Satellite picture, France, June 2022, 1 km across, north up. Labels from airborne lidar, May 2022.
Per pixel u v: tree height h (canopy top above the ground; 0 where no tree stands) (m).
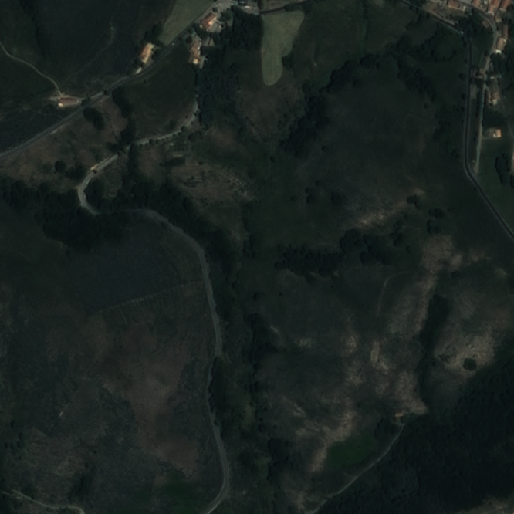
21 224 0
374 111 0
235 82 13
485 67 0
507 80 0
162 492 0
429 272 0
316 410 0
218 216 0
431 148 0
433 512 18
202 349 0
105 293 0
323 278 7
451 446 12
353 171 0
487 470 22
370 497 23
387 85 0
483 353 0
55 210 23
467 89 0
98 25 0
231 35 10
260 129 0
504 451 7
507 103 0
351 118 0
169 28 0
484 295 0
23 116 0
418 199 13
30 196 16
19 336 0
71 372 0
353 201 0
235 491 0
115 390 0
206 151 0
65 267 0
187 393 0
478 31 19
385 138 0
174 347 0
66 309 0
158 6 0
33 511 0
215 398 19
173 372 0
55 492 0
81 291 0
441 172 0
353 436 0
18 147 0
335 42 0
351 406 0
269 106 0
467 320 0
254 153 0
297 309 0
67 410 0
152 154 0
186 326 0
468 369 10
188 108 0
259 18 13
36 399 0
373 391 0
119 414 0
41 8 0
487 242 0
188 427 0
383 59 0
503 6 0
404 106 0
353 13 0
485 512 0
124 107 17
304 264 11
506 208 0
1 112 0
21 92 0
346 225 0
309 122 9
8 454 0
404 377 0
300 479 0
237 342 0
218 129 0
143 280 0
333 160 0
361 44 0
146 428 0
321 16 0
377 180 0
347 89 0
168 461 0
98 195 21
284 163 0
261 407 8
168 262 0
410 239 0
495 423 20
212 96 23
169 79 0
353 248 10
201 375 0
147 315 0
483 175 0
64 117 0
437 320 19
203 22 0
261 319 13
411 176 0
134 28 0
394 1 11
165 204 21
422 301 0
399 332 0
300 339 0
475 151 0
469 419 23
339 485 0
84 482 14
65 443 0
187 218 23
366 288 0
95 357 0
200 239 6
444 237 0
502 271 0
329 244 0
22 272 0
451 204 0
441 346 0
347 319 0
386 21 0
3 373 0
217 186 0
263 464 0
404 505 20
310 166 0
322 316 0
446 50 0
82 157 0
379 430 13
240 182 0
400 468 7
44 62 0
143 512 0
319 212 0
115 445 0
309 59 0
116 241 8
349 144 0
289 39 0
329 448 0
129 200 16
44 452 0
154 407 0
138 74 0
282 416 0
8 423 0
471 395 14
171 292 0
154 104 0
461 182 0
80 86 0
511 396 23
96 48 0
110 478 0
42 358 0
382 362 0
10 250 0
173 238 0
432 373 0
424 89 10
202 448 0
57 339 0
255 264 0
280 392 0
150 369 0
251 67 0
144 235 0
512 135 0
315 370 0
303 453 0
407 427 16
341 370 0
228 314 21
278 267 14
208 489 0
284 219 0
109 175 0
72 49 0
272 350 9
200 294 0
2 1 0
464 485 16
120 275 0
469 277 0
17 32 0
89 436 0
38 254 0
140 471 0
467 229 0
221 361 11
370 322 0
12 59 0
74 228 20
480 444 18
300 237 0
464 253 0
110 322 0
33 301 0
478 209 0
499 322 0
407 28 10
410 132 0
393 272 0
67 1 0
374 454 7
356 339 0
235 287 15
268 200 0
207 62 16
